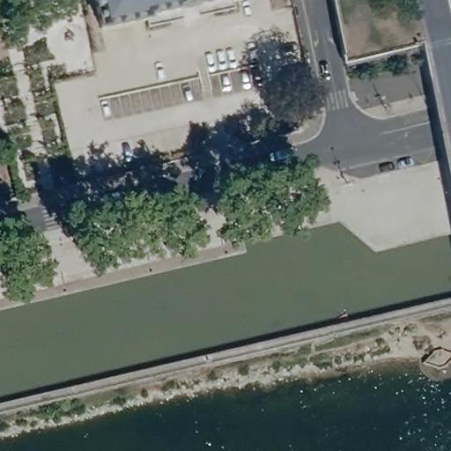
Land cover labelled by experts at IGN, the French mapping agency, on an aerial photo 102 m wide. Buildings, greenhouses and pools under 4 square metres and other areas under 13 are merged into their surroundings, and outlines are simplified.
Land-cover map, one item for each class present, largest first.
<instances>
[{"label":"impervious surface","instance_id":"1","mask_svg":"<svg viewBox=\"0 0 451 451\"><path fill-rule=\"evenodd\" d=\"M425 18V25L419 28L421 42L405 48L389 49L377 55L352 58L349 51H344L335 0H204L197 4L157 11L153 16H144L134 21L100 26L93 14L92 5L86 0H76V16H72V21L58 19L41 32L30 26L28 46L46 39L49 51L55 56L53 60L33 63V69L42 70V81L48 88V70L53 65H63L67 72L92 69L90 44L86 37V25H92L93 37L97 44V74L92 78L67 79L56 83V97L69 141V157H51L48 164L37 160L32 166L33 180H30L26 176L25 164L21 160V150L16 152L19 180L28 190L30 201H23L16 196L11 197L9 187L0 180V224H4L5 218H12L14 222L41 231L51 247V254L41 255V262H51L53 259L58 261L53 284H35V303L58 296H69L74 292L97 289L104 285L118 284L125 280L150 277L164 271L187 268L201 262L245 254L247 247L241 241L240 247L233 248L231 241L220 238L218 231L225 224V218L220 213H215L218 210V201H215V187L218 181L224 178V174L236 171V164H241L247 169L252 166L255 169L257 164H266L273 174L282 167L294 169L298 166V159H312L315 155H322L324 166L317 167L314 174L319 180V185L328 192L329 208L317 213L315 220L319 225L340 222L373 250H388L414 241L451 234V0H423ZM419 48H425L428 63L421 65L418 70H412L410 76H395L391 72H384V78H366L365 72L359 79L347 76L352 65L384 60L393 55L414 58V53ZM307 65L312 69V76L321 78L322 85L328 88V107L314 111V118L305 120L301 127H296V123L282 122L266 136H255V129L264 115H271V109H268L271 104V88L278 79L289 76L296 69H305ZM187 185L197 196L204 197L211 208L210 211H199V218L206 222L210 243L203 247L197 245L196 257L192 259L176 254L167 247L164 238H159L155 243L141 238L134 240L130 250L141 247L144 250V257L130 261L120 257L118 266H107L102 275H97L92 264L85 261L81 250L70 238L72 234H78L69 222V213L74 203L83 201L88 208L100 210L102 204L107 201L118 203L129 197L132 192L139 196L143 192H146V196L157 192L167 194L174 187ZM0 60H11L12 70L18 81V92L12 93L11 99L23 100L26 113L25 123L7 125L4 107L9 106L11 100H0V129L7 132L19 129L23 137H32L30 152L35 155L46 153L42 146L41 125L35 118L30 79L25 74L23 51L5 48L4 41L0 39ZM25 305L21 299L14 301L5 298L4 287L0 282V310ZM382 324L400 326V331L395 335L379 333L363 340H354L351 344L333 347L329 356L351 352V359L342 361L344 368L366 366L386 359L412 358L418 363L421 373H425L430 381H444L451 377V298L0 403V437H14L18 433L32 432L46 426H62L74 421H85L106 412L144 405L157 398L171 400L178 395L196 396L199 391L206 389L245 388L250 382L273 384L275 381H284L285 377L291 375L319 373L321 368L312 365H307L273 370L271 361H264L250 365L245 375H241L238 370H225L217 381H208V372L213 366L257 358L273 352H296L301 345H310L326 344L338 336L379 328ZM418 336H428L432 340L433 356L426 361L421 359V351L414 349L412 345V340ZM115 391V405H102L85 410L81 414L65 416L55 421L30 416L26 418V425H16V412L39 409L41 405L60 402L63 398H79Z\"/></svg>","mask_w":451,"mask_h":451},{"label":"water","instance_id":"2","mask_svg":"<svg viewBox=\"0 0 451 451\"><path fill-rule=\"evenodd\" d=\"M451 298V234L414 241L388 250H373L340 222L319 225L312 229L308 240H291L285 236H277L273 240L259 241L247 247L245 254L201 262L187 268L164 271L150 277L125 280L118 284L104 285L97 289L74 292L69 296H58L35 303L0 310V403ZM0 451H451V377L444 381H430L425 373H421L418 363L412 358L386 359L366 366L344 368L319 373L291 375L285 377L284 381H275L273 384L250 382L245 388L206 389L199 391L196 396L178 395L171 400L157 398L144 405L106 412L85 421H74L62 426H46L32 432L18 433L14 437H0Z\"/></svg>","mask_w":451,"mask_h":451},{"label":"deciduous trees","instance_id":"3","mask_svg":"<svg viewBox=\"0 0 451 451\"><path fill-rule=\"evenodd\" d=\"M72 16H76V0H0V39L4 41L5 48L23 51L28 46L30 26L41 32L58 19L72 21ZM370 7L382 19L389 18L391 12L410 14L414 19L425 18L423 0H368ZM428 63L425 48H419L414 53V58L393 55L384 60L352 65L347 76L359 79L365 72L366 78H384V72H391L395 76H410L412 70H418L421 65ZM328 88L322 85L321 78L312 76V69L307 65L305 69H296L289 76L278 79L271 88V104L268 109H271V115H264L255 129V136H266L282 122L296 123V127H301L305 120L314 118V111L328 107ZM0 180L9 187L11 197L16 196L23 201H30L28 190L19 180L16 152L12 150L11 137L0 139ZM324 166L322 155H315L312 159H298V166L294 169L282 167L273 174L266 164H257L255 169L252 166L247 169L241 164H236V171L224 174V178L218 181L215 187V201H218V210L215 213H220L225 218V224L218 231L220 238L231 241L233 248L240 247L241 241L247 247L259 241L273 240L277 236H285L291 240H308L312 229L319 225L315 220L317 213L329 208L328 192L319 185V180L314 174L317 167ZM211 208L204 197L197 196L187 185L174 187L167 194L157 192L146 196V192H143L139 196L132 192L129 197L118 203L107 201L102 204L100 210L88 208L83 201L74 203L69 213V222L78 234H72L70 238L81 250L85 261L92 264L97 275H102L107 266H118L120 257L130 261L144 257V250L141 247L130 250L134 240L141 238L155 243L159 238H164L167 247L176 254L192 259L196 257L197 245L203 247L210 243L206 222L199 218V211H210ZM51 254V247L41 231L14 222L12 218H5L4 224H0V282L4 287L5 298L14 301L21 299L25 305L35 303V284H53L58 261L53 259L51 262H41V255Z\"/></svg>","mask_w":451,"mask_h":451},{"label":"brushwood","instance_id":"4","mask_svg":"<svg viewBox=\"0 0 451 451\"><path fill-rule=\"evenodd\" d=\"M86 37L90 44L92 69L67 72L63 65H53L48 70V88L42 81V70L33 69V63L53 60L55 56L49 51L46 39L28 46L23 51L25 74L30 79L35 118L41 125L42 146L46 153L35 155L30 152L32 137H23L19 129L7 132L0 129V139L11 137L12 150L16 152L21 150V160L25 164L26 176L30 180H33L32 166L37 160L48 164L51 157H69V141L56 97V83L67 79L92 78L97 74V44L93 37L92 25H86ZM18 92V81L12 70L11 60H0V100H11L9 106L4 107L7 125L25 123L26 113L23 100L11 99L12 93ZM412 345L414 349L421 351V359L426 361L433 356L432 340L428 336H418L412 340ZM310 351V345H301L296 352H273L257 358L213 366L208 372V381H217L225 370H238L241 375H245L250 365L264 361H271L273 370L307 365L305 359L307 352ZM351 359V352L329 356L317 354L312 365L321 368L319 373L344 368L342 361ZM85 410V405L79 398H63L60 402L41 405L39 409L16 412V425H26V418L30 416L55 421L65 416L81 414Z\"/></svg>","mask_w":451,"mask_h":451},{"label":"herbaceous vegetation","instance_id":"5","mask_svg":"<svg viewBox=\"0 0 451 451\"><path fill-rule=\"evenodd\" d=\"M344 51H349L352 58L377 55L389 49L405 48L421 42L419 28L425 25V18L414 19L410 14L391 12L389 18L382 19L370 7L368 0H335ZM400 331V326L382 324L379 328L338 336L326 344L310 345V351L307 352L305 359L307 365H312L317 354L329 356L333 347L351 344L354 340H363L379 333L395 335ZM85 405V410L102 405H115V391L79 398Z\"/></svg>","mask_w":451,"mask_h":451},{"label":"building","instance_id":"6","mask_svg":"<svg viewBox=\"0 0 451 451\"><path fill-rule=\"evenodd\" d=\"M92 5L93 14L100 26L134 21L144 16H153L157 11L197 4L204 0H86Z\"/></svg>","mask_w":451,"mask_h":451}]
</instances>
